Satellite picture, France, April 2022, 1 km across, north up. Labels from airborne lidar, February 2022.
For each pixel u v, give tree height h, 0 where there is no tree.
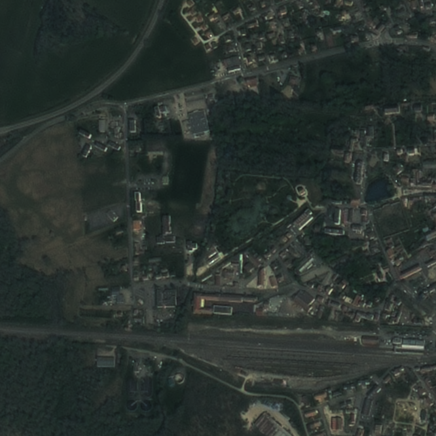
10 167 0
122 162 0
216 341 0
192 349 0
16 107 0
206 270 0
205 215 0
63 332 0
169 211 0
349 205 0
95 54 0
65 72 0
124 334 0
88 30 26
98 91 0
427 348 0
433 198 0
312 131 0
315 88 0
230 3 0
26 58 0
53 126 0
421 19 17
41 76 0
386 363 0
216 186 9
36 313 18
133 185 0
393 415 0
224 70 0
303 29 17
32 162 0
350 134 10
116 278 0
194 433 0
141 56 0
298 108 26
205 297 0
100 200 0
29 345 24
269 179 0
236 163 30
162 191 0
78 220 0
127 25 0
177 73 0
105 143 0
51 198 0
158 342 0
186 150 0
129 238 0
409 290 0
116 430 18
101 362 0
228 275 0
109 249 0
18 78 0
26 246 16
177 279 0
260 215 11
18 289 25
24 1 0
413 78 12
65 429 27
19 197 0
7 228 23
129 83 0
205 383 0
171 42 0
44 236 0
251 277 0
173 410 0
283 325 0
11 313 17
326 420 0
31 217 0
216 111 24
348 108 20
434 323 0
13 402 28
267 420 0
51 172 0
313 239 17
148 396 0
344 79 0
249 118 29
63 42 24
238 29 6
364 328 0
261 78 13
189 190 0
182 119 0
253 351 0
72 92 0
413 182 0
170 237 0
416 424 0
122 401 0
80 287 0
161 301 0
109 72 0
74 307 0
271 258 0
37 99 0
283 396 0
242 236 14
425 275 0
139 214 8
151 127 9
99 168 0
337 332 0
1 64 0
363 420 0
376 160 0
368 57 8
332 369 0
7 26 0
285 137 0
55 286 20
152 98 0
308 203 0
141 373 0
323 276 0
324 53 0
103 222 0
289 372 0
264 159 30
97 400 0
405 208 0
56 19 30
